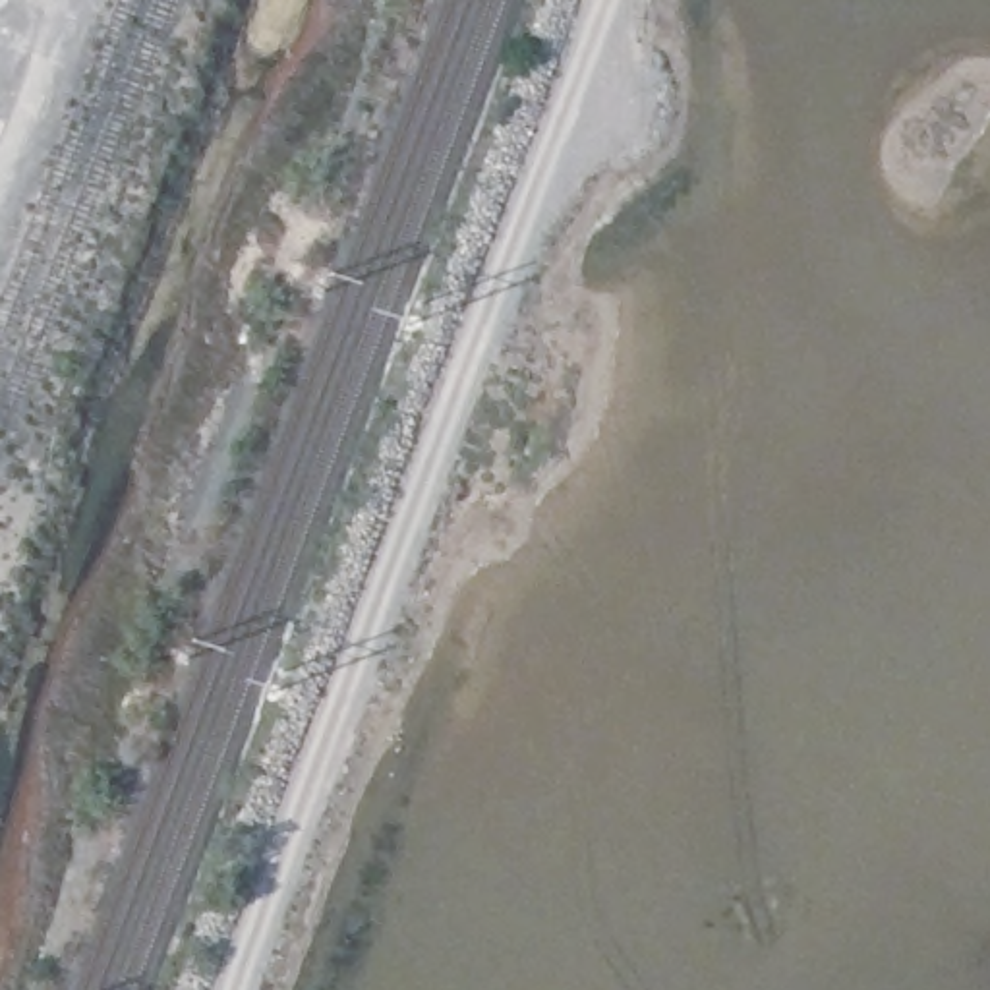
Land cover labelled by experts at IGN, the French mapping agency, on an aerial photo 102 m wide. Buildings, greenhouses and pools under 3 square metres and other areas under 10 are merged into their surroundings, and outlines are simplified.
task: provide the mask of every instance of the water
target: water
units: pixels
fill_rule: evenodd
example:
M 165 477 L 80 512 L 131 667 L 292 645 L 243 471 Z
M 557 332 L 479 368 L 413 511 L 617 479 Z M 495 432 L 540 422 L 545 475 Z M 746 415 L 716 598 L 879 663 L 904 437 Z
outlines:
M 263 54 L 294 39 L 302 0 L 255 0 L 248 39 Z
M 0 731 L 0 843 L 12 831 L 12 808 L 27 770 L 27 758 L 12 746 Z
M 692 77 L 684 143 L 677 159 L 661 170 L 661 178 L 634 193 L 615 213 L 615 220 L 592 236 L 580 267 L 584 286 L 611 294 L 619 309 L 611 402 L 603 410 L 599 437 L 584 449 L 584 460 L 534 510 L 530 541 L 510 561 L 491 561 L 460 584 L 433 661 L 425 665 L 402 712 L 402 735 L 379 758 L 364 789 L 348 851 L 325 893 L 313 944 L 290 990 L 990 990 L 990 131 L 975 143 L 975 151 L 963 155 L 936 209 L 909 205 L 889 189 L 882 174 L 882 135 L 893 112 L 924 81 L 940 77 L 959 58 L 990 58 L 990 0 L 681 0 Z

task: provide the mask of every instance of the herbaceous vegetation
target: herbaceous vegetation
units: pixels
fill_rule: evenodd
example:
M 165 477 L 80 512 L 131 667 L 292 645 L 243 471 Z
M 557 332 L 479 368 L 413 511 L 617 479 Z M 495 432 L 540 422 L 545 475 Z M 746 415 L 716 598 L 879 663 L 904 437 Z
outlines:
M 205 58 L 197 66 L 197 104 L 174 124 L 155 128 L 155 135 L 166 139 L 174 151 L 166 159 L 166 170 L 159 174 L 147 213 L 131 217 L 120 205 L 104 205 L 108 220 L 116 224 L 116 236 L 97 236 L 97 251 L 112 251 L 124 263 L 124 286 L 112 309 L 112 317 L 97 329 L 101 352 L 85 367 L 89 387 L 77 398 L 81 425 L 93 425 L 93 449 L 89 464 L 81 468 L 81 503 L 73 510 L 70 534 L 54 549 L 62 592 L 46 596 L 43 630 L 27 646 L 27 661 L 35 669 L 27 681 L 19 739 L 12 746 L 27 758 L 27 770 L 12 808 L 12 831 L 0 843 L 0 990 L 46 990 L 54 975 L 62 975 L 62 967 L 54 955 L 39 955 L 39 947 L 58 909 L 73 843 L 89 831 L 112 828 L 116 808 L 108 804 L 108 797 L 128 804 L 139 781 L 135 770 L 128 770 L 116 758 L 124 727 L 116 708 L 147 704 L 151 681 L 166 681 L 174 673 L 174 650 L 186 638 L 197 638 L 193 626 L 201 619 L 201 592 L 182 592 L 182 572 L 166 568 L 170 522 L 178 522 L 178 514 L 166 514 L 170 460 L 174 452 L 197 445 L 197 425 L 213 410 L 213 391 L 240 379 L 248 371 L 248 356 L 263 352 L 271 367 L 263 371 L 255 394 L 251 429 L 232 449 L 232 480 L 220 491 L 224 510 L 240 507 L 240 495 L 251 487 L 251 441 L 259 449 L 271 445 L 278 406 L 271 398 L 278 391 L 278 379 L 286 387 L 298 383 L 302 340 L 309 340 L 321 325 L 325 298 L 309 298 L 278 271 L 278 240 L 286 224 L 271 209 L 271 197 L 290 193 L 298 209 L 329 220 L 329 232 L 306 251 L 306 267 L 325 267 L 336 275 L 348 263 L 348 240 L 340 236 L 340 228 L 360 220 L 375 182 L 375 166 L 364 166 L 364 139 L 379 135 L 391 93 L 418 66 L 410 43 L 425 39 L 422 15 L 433 12 L 433 0 L 302 0 L 294 39 L 263 54 L 248 39 L 255 0 L 228 0 L 224 15 L 205 35 Z M 259 263 L 248 278 L 244 298 L 228 298 L 232 263 L 248 244 L 248 232 L 259 236 Z
M 313 553 L 313 565 L 306 572 L 302 603 L 325 599 L 325 584 L 340 565 L 344 530 L 352 514 L 364 507 L 379 441 L 398 425 L 398 402 L 375 387 L 321 549 Z

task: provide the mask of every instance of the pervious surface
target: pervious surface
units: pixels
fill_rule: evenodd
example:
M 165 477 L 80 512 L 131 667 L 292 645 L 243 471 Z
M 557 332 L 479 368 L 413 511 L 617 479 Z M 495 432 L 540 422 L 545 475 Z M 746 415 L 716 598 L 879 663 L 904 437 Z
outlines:
M 402 712 L 425 665 L 433 661 L 460 584 L 491 561 L 510 561 L 530 541 L 534 510 L 584 460 L 584 449 L 599 437 L 603 410 L 611 402 L 619 309 L 611 294 L 584 286 L 580 267 L 592 236 L 615 220 L 615 213 L 634 193 L 661 178 L 661 170 L 677 159 L 684 143 L 692 77 L 681 0 L 433 0 L 433 12 L 422 15 L 425 39 L 410 43 L 418 66 L 391 93 L 379 135 L 364 139 L 364 166 L 375 166 L 375 182 L 360 220 L 340 228 L 340 236 L 348 240 L 348 263 L 336 275 L 325 267 L 306 267 L 306 251 L 329 232 L 329 220 L 298 209 L 290 193 L 271 197 L 271 209 L 286 224 L 278 240 L 278 271 L 309 298 L 325 298 L 321 325 L 309 340 L 302 340 L 298 383 L 286 387 L 278 379 L 278 391 L 271 398 L 278 406 L 271 445 L 259 449 L 251 441 L 251 487 L 240 495 L 240 507 L 224 510 L 220 491 L 232 480 L 232 449 L 251 429 L 255 394 L 263 371 L 271 367 L 263 352 L 248 356 L 248 371 L 240 379 L 213 391 L 213 410 L 197 425 L 197 445 L 174 452 L 170 460 L 166 514 L 178 514 L 178 522 L 170 522 L 166 568 L 182 572 L 182 592 L 201 592 L 201 619 L 193 626 L 197 638 L 186 638 L 174 650 L 174 673 L 166 681 L 151 681 L 147 704 L 116 708 L 124 727 L 116 758 L 128 770 L 135 770 L 139 781 L 128 804 L 108 797 L 108 804 L 116 808 L 112 828 L 89 831 L 73 843 L 58 909 L 39 947 L 39 955 L 54 955 L 62 967 L 62 975 L 54 975 L 46 990 L 159 990 L 159 967 L 166 959 L 178 917 L 186 913 L 186 897 L 193 889 L 201 855 L 220 820 L 220 777 L 236 773 L 240 758 L 263 762 L 259 777 L 244 793 L 240 820 L 290 820 L 294 831 L 271 862 L 271 893 L 255 897 L 244 913 L 197 917 L 197 936 L 228 940 L 232 959 L 224 963 L 224 971 L 182 971 L 182 990 L 290 990 L 313 944 L 325 893 L 348 851 L 364 789 L 379 758 L 402 735 Z M 510 35 L 530 31 L 549 43 L 553 58 L 530 70 L 526 77 L 514 77 L 499 66 L 499 54 Z M 321 549 L 375 387 L 398 402 L 398 425 L 379 441 L 364 507 L 352 514 L 344 530 L 340 565 L 325 584 L 325 599 L 302 603 L 306 572 L 313 565 L 313 553 Z
M 66 135 L 58 135 L 46 147 L 46 159 L 35 162 L 43 170 L 43 201 L 27 201 L 27 213 L 46 213 L 46 224 L 39 240 L 27 240 L 31 259 L 19 259 L 12 271 L 12 282 L 19 290 L 8 313 L 8 336 L 0 340 L 0 495 L 8 495 L 19 483 L 19 491 L 35 499 L 39 514 L 54 507 L 46 499 L 46 483 L 58 483 L 66 476 L 66 464 L 58 425 L 27 425 L 27 402 L 62 402 L 62 391 L 54 391 L 46 364 L 58 352 L 73 352 L 73 336 L 81 333 L 81 325 L 62 317 L 62 306 L 97 302 L 101 309 L 112 309 L 124 286 L 124 263 L 112 251 L 97 251 L 97 236 L 116 236 L 116 224 L 108 220 L 104 205 L 120 205 L 131 217 L 147 213 L 159 174 L 166 170 L 166 159 L 174 151 L 166 139 L 155 135 L 155 128 L 174 124 L 197 104 L 197 66 L 205 58 L 205 35 L 224 15 L 228 0 L 104 0 L 89 31 L 89 46 L 81 50 L 70 77 Z
M 248 244 L 232 263 L 228 298 L 244 298 L 248 278 L 259 263 L 259 236 L 248 232 Z
M 893 112 L 882 135 L 882 174 L 889 189 L 909 205 L 936 209 L 963 155 L 975 151 L 975 143 L 990 131 L 990 58 L 959 58 L 940 77 L 924 81 Z
M 31 62 L 12 54 L 0 39 L 0 120 L 12 116 L 15 93 Z

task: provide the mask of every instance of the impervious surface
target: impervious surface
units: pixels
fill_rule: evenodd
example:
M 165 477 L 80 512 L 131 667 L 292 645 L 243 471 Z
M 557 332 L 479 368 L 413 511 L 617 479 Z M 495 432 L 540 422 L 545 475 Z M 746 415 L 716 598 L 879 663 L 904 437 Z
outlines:
M 12 271 L 19 259 L 31 259 L 27 240 L 39 240 L 46 224 L 46 213 L 27 213 L 27 201 L 43 201 L 43 170 L 35 162 L 46 159 L 46 147 L 58 135 L 66 135 L 70 77 L 81 50 L 89 46 L 89 31 L 104 0 L 0 0 L 0 39 L 12 54 L 31 62 L 15 93 L 12 116 L 0 120 L 0 340 L 8 336 L 8 313 L 19 290 L 12 282 Z
M 39 514 L 35 499 L 19 491 L 19 483 L 8 495 L 0 495 L 0 592 L 19 592 L 15 568 L 23 565 L 23 538 L 39 526 Z

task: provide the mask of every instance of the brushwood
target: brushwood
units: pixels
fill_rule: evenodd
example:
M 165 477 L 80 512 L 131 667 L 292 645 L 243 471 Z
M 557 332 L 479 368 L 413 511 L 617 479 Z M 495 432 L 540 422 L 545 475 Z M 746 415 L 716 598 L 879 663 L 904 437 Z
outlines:
M 499 54 L 499 66 L 514 77 L 526 77 L 530 70 L 553 58 L 549 43 L 530 31 L 510 35 Z
M 97 329 L 112 317 L 112 309 L 101 309 L 97 302 L 62 306 L 62 317 L 81 325 L 81 333 L 73 336 L 73 352 L 58 352 L 46 364 L 54 391 L 62 391 L 62 402 L 27 402 L 27 425 L 58 425 L 66 464 L 66 476 L 58 483 L 46 483 L 46 499 L 54 507 L 39 514 L 39 526 L 23 538 L 23 565 L 15 568 L 19 592 L 0 592 L 0 731 L 12 746 L 19 739 L 27 681 L 35 669 L 27 661 L 27 646 L 43 630 L 46 596 L 62 592 L 54 549 L 70 534 L 73 510 L 81 503 L 81 468 L 89 464 L 93 449 L 93 425 L 81 425 L 77 398 L 89 387 L 85 367 L 101 352 Z
M 271 893 L 271 862 L 294 831 L 290 820 L 240 820 L 244 793 L 259 777 L 263 762 L 240 758 L 236 773 L 220 777 L 220 820 L 201 855 L 193 889 L 186 897 L 186 913 L 178 917 L 166 959 L 159 967 L 159 990 L 182 990 L 182 971 L 224 971 L 224 963 L 232 959 L 228 940 L 197 936 L 197 917 L 244 913 L 255 897 Z

